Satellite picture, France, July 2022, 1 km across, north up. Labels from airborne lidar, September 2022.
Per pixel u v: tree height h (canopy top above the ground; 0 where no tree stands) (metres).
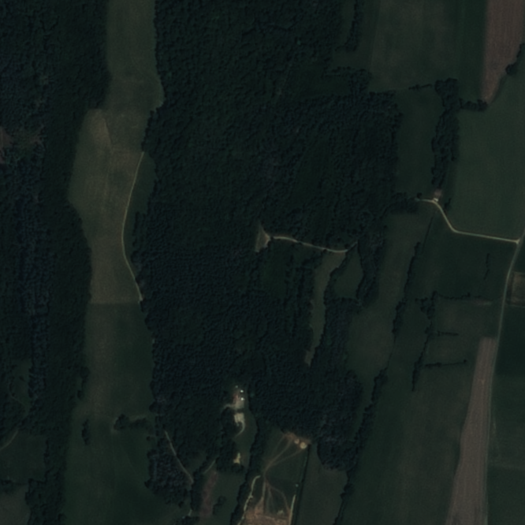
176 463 14
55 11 22
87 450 0
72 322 21
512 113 0
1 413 8
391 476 0
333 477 0
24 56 21
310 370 17
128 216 0
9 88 19
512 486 0
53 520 20
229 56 8
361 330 0
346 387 26
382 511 0
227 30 14
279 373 20
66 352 22
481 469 0
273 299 13
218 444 11
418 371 15
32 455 0
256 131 21
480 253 0
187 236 7
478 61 0
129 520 0
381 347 0
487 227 0
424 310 14
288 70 17
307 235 14
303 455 0
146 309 25
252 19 22
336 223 9
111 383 0
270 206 9
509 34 0
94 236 0
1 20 22
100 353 0
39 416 20
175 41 17
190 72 18
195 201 12
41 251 20
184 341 9
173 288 18
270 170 25
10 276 9
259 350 20
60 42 19
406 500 0
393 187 12
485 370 0
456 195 0
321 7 21
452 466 0
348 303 22
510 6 0
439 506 0
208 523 0
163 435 8
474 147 0
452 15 0
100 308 0
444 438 0
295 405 19
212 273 19
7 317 8
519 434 0
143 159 0
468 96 0
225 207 11
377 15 0
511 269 0
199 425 16
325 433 16
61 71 19
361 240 17
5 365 16
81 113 20
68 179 21
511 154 0
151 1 0
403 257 0
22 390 0
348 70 7
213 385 15
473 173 0
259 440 18
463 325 0
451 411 0
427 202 0
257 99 20
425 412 0
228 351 18
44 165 19
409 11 0
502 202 0
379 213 17
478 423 0
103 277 0
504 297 0
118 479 0
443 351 0
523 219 0
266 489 0
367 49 0
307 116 23
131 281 0
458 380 0
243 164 16
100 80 21
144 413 0
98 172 0
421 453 0
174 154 16
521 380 0
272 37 21
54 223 26
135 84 0
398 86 0
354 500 0
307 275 22
